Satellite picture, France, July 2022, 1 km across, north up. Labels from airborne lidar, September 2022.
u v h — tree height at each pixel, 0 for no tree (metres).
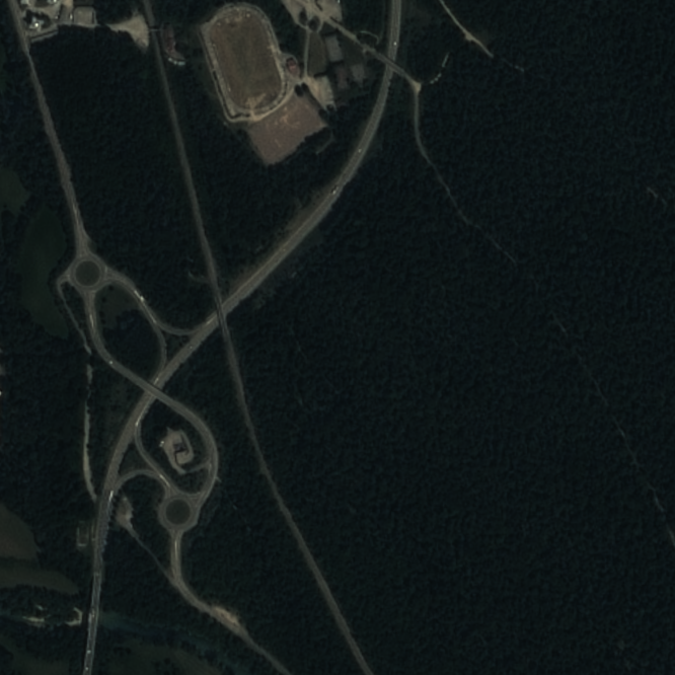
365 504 17
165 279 20
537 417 22
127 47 22
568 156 6
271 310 12
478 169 11
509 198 14
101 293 0
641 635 20
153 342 24
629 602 16
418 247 19
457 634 20
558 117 15
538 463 11
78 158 20
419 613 13
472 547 18
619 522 17
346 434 19
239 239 27
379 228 18
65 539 20
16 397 14
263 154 0
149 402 0
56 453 23
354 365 14
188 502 0
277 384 14
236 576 13
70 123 15
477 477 14
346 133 13
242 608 12
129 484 7
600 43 13
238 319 10
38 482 22
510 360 14
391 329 13
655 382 14
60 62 17
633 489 11
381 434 8
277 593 13
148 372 6
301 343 18
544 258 18
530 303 16
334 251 20
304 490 17
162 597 18
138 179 21
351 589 12
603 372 16
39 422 24
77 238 0
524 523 24
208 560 11
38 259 0
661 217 9
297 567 18
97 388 9
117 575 18
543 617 13
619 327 20
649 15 14
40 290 0
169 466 10
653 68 15
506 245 21
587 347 17
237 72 0
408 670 17
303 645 18
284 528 11
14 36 20
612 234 20
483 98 11
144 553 20
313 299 12
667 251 22
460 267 9
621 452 19
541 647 16
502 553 17
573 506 16
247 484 12
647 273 7
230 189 22
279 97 0
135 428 0
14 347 19
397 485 25
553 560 17
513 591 14
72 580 18
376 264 21
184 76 12
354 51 0
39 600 15
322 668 16
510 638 17
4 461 12
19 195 0
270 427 12
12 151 22
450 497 15
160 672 11
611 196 11
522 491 16
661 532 22
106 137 15
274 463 14
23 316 14
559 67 16
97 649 11
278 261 0
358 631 14
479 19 9
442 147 12
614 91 14
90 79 19
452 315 13
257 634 11
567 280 20
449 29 8
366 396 17
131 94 24
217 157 23
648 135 16
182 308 18
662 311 9
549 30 15
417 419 19
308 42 0
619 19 17
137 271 20
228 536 14
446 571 11
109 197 18
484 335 20
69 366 27
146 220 16
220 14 0
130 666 0
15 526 0
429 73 17
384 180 17
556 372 20
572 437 20
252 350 17
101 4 23
